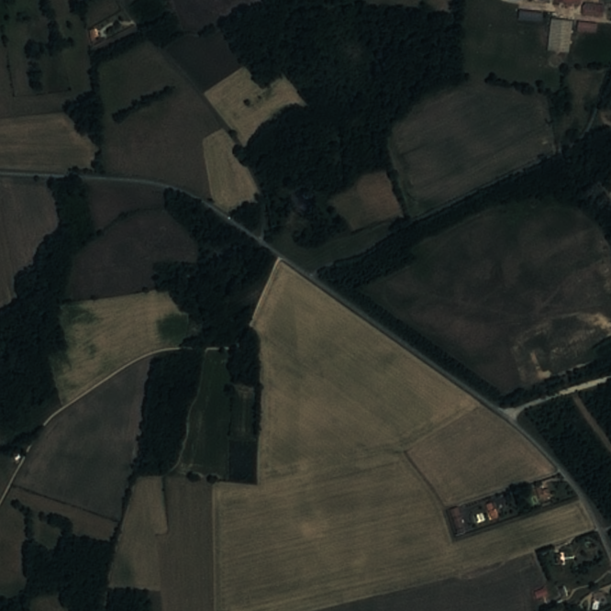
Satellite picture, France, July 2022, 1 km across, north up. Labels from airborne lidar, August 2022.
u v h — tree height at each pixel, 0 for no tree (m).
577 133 7
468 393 0
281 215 7
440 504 0
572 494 8
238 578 0
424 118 0
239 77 0
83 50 0
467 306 0
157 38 11
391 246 15
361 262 13
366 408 0
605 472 14
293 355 0
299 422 0
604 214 18
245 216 16
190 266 7
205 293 25
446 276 0
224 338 7
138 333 0
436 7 0
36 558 23
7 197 0
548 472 0
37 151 0
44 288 19
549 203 0
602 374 10
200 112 0
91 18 0
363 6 19
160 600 0
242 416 0
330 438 0
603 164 10
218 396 0
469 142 0
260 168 14
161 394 19
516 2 0
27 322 19
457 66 24
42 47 18
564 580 0
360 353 0
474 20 0
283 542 0
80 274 0
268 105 0
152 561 0
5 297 0
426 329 0
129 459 0
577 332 0
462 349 0
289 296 0
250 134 0
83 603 16
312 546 0
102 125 19
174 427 16
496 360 0
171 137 0
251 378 8
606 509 12
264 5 16
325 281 6
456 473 0
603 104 12
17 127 0
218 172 0
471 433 0
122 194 0
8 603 11
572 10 0
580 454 13
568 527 0
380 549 0
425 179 0
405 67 26
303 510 0
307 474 0
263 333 0
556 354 0
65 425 0
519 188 15
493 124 0
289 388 0
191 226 9
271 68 21
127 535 0
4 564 0
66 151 0
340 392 0
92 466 0
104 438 0
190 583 0
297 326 0
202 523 0
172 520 0
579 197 7
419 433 0
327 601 0
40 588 13
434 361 10
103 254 0
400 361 0
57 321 19
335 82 9
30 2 0
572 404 5
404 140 0
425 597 0
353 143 11
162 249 0
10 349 23
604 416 12
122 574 0
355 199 0
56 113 0
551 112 7
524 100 0
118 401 0
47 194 0
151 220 0
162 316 0
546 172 15
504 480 0
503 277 0
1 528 0
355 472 0
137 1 7
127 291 0
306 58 19
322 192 20
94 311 0
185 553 0
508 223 0
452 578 0
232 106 0
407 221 15
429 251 0
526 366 0
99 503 0
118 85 0
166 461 15
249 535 0
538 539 0
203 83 0
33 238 0
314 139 13
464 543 0
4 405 21
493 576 0
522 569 0
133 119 0
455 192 0
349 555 0
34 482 0
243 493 0
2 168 0
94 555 18
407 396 0
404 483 0
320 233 13
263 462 0
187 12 0
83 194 14
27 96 0
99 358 0
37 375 15
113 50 11
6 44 6
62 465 0
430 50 24
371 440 0
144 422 10
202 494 0
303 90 10
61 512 0
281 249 0
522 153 0
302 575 0
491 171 0
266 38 29
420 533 0
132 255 0
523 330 0
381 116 13
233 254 17
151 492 0
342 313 0
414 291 0
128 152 0
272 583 0
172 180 0
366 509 0
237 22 27
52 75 0
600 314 0
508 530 0
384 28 19
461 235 0
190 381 7
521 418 0
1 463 0
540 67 0
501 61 0
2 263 0
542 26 0
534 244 0
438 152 0
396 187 10
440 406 0
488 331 0
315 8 13
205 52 0
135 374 0
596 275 0
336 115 16
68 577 22
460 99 0
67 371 0
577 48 0
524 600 0
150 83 0
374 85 6
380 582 0
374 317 9
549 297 0
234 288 22
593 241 0
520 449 0
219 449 0
